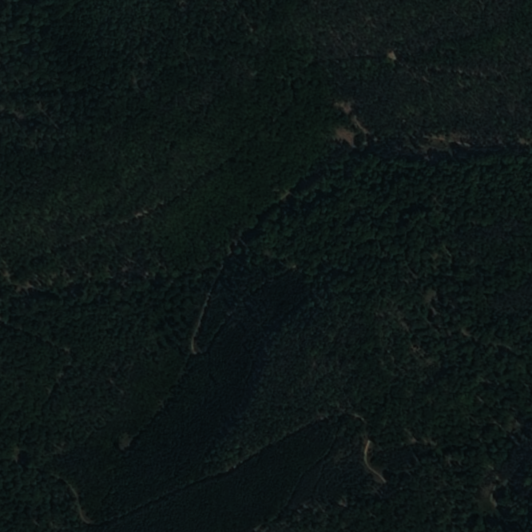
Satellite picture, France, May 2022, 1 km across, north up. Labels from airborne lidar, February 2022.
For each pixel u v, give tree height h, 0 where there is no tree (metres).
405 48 24
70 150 26
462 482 30
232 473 13
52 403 25
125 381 31
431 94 25
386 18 22
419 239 33
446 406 23
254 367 9
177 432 14
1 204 25
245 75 25
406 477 24
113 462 19
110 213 23
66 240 26
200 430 14
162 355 9
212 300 8
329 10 21
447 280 32
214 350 11
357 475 12
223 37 28
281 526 21
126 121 24
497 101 24
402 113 28
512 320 32
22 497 29
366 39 25
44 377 23
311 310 32
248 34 27
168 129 23
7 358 28
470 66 24
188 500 10
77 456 10
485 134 29
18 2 43
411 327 27
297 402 24
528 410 31
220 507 10
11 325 31
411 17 25
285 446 12
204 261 29
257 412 26
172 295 33
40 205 27
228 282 8
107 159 21
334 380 26
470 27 22
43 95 33
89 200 27
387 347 27
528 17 23
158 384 11
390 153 31
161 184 22
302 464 10
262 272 10
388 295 30
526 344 33
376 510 30
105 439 12
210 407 17
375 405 25
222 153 25
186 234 26
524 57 26
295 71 30
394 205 34
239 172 28
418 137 35
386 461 9
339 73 29
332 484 12
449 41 28
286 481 13
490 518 0
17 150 31
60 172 24
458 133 30
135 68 30
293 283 14
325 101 30
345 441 10
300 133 23
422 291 33
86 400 25
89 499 11
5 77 34
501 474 30
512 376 35
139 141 22
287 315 14
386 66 25
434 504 32
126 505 11
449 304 26
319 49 26
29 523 26
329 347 23
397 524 24
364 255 29
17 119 0
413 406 28
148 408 17
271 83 31
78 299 35
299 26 24
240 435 26
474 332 37
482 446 33
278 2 29
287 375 27
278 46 30
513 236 34
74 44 26
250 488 11
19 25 40
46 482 27
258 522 11
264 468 12
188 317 14
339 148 39
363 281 27
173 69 26
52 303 40
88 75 32
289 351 24
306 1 24
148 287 30
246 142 28
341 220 32
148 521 11
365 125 33
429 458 25
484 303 28
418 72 28
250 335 13
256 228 25
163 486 11
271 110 27
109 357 27
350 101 36
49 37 35
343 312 25
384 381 29
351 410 20
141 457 13
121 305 34
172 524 13
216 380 12
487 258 34
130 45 22
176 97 26
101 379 24
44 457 32
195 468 11
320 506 25
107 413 29
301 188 44
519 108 26
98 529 14
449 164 34
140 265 37
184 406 11
